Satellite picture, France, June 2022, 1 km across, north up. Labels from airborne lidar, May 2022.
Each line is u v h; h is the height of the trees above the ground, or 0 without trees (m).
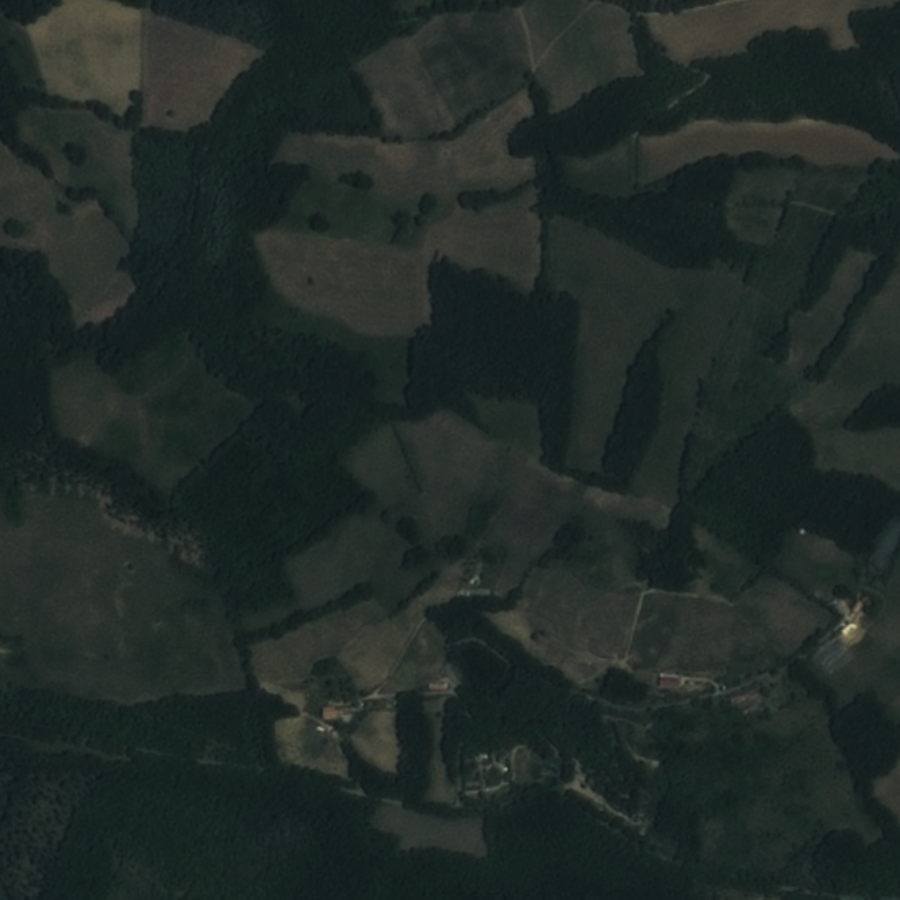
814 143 0
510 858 12
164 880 7
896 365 0
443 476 0
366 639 0
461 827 0
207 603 7
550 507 0
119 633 0
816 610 0
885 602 0
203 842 12
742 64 13
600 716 13
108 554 0
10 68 17
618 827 11
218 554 15
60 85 0
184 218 8
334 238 0
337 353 17
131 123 18
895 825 17
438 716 7
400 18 14
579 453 0
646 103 6
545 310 17
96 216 0
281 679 0
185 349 0
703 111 11
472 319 17
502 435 0
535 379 18
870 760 14
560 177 19
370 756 0
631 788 12
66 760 19
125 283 0
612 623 0
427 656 0
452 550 12
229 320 16
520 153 21
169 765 14
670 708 6
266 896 9
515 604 13
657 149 0
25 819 12
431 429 0
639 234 15
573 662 0
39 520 0
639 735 0
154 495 11
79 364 0
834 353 15
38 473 15
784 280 0
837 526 19
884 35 17
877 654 0
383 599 0
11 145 19
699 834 14
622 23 0
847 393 0
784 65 13
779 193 0
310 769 7
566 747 13
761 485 15
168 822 10
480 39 0
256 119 12
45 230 0
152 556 0
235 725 11
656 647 0
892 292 0
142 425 0
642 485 0
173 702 12
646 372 19
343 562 0
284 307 0
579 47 0
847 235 16
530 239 0
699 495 14
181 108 0
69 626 0
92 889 12
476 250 0
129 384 0
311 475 8
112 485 16
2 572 0
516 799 10
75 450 14
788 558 0
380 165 0
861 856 14
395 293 0
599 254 0
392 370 0
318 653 0
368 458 0
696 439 19
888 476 0
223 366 16
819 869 14
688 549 6
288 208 18
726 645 0
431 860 18
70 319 8
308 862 13
